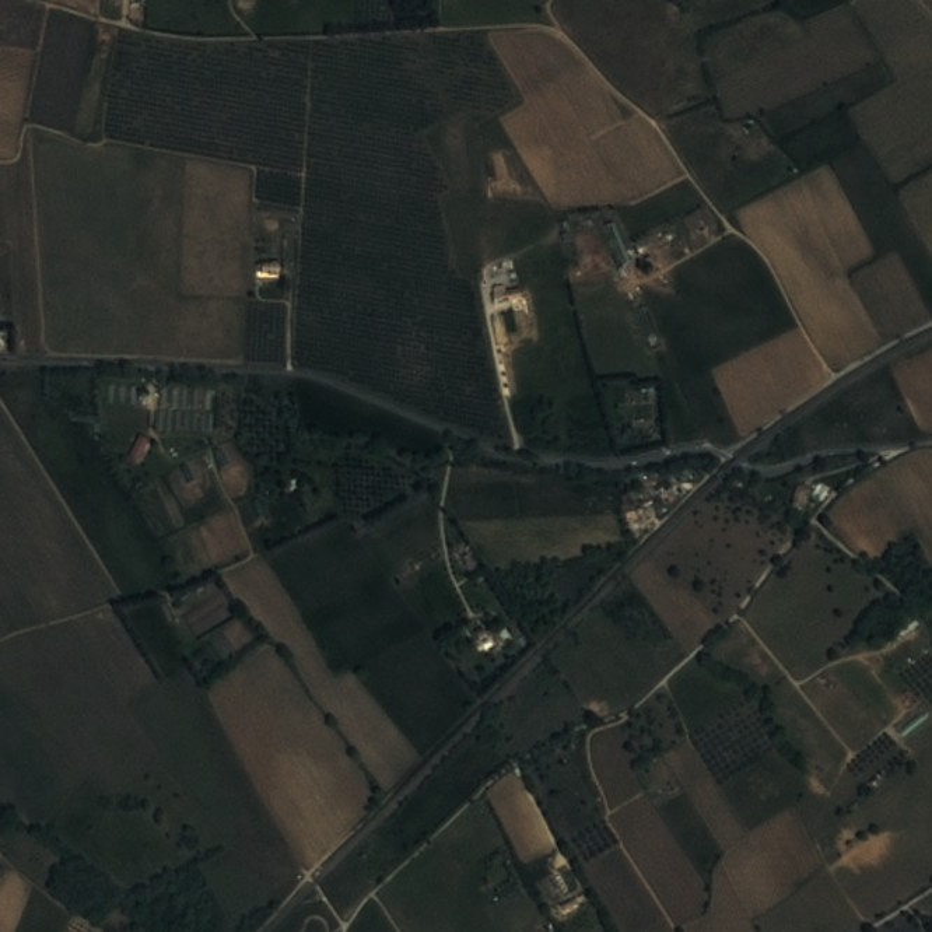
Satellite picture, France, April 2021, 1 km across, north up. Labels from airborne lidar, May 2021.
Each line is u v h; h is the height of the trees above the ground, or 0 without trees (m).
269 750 0
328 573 0
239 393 8
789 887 0
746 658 0
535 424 6
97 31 0
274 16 0
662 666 0
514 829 0
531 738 0
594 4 0
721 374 0
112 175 0
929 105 0
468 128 0
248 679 0
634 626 6
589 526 0
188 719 0
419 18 7
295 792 0
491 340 0
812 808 0
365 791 0
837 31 0
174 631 0
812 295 0
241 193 0
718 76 0
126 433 0
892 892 0
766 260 0
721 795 0
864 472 14
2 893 0
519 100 0
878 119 0
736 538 0
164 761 0
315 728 0
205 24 0
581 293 0
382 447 17
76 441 0
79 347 0
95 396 6
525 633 14
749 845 0
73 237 0
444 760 10
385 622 0
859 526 0
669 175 0
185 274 0
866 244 0
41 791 0
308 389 0
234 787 0
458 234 0
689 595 0
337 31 11
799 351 0
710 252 0
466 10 0
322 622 0
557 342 0
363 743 0
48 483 0
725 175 0
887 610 15
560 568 7
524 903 0
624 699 0
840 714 0
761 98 0
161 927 13
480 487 0
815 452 0
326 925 0
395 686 0
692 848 0
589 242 0
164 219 0
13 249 0
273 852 0
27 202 0
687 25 0
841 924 0
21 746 0
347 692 0
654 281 0
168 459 0
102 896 16
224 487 0
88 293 0
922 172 0
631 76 0
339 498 9
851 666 0
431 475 13
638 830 0
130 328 0
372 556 0
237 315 0
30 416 0
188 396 0
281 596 0
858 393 0
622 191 0
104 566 0
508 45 0
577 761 0
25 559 0
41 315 0
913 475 0
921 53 0
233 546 0
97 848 0
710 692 0
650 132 0
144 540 0
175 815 0
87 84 0
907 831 0
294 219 0
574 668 0
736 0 0
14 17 0
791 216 0
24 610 0
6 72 0
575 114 0
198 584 12
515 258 0
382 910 0
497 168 0
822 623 0
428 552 0
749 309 0
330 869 0
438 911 0
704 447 0
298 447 9
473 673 12
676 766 0
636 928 0
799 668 0
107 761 0
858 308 0
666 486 9
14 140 0
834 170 0
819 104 0
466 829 0
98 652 0
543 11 6
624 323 0
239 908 0
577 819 0
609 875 0
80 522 0
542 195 0
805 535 12
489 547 0
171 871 11
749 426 0
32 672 0
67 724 0
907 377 0
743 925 0
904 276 0
